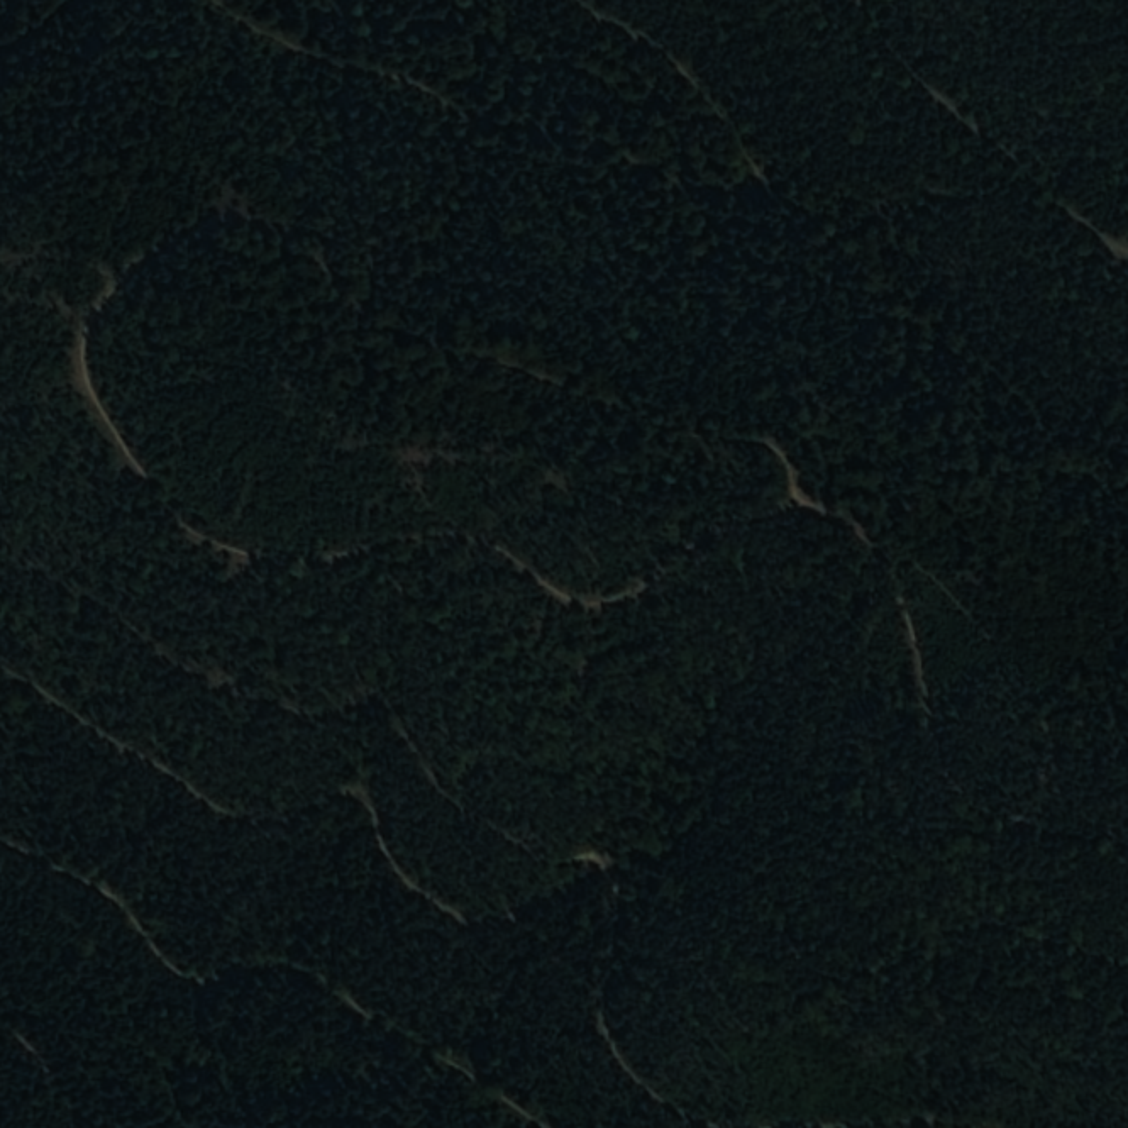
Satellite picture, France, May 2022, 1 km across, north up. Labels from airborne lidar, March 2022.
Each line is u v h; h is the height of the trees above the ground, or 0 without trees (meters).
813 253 37
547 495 10
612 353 38
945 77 13
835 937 23
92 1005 36
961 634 11
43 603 27
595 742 28
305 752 28
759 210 35
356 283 33
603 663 26
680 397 19
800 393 17
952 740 25
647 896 31
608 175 20
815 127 25
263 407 11
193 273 30
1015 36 24
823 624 28
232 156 7
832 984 17
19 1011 12
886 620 29
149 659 17
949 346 20
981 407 8
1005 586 13
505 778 29
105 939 17
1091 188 19
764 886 26
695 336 15
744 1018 27
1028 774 8
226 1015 18
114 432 0
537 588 27
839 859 28
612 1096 30
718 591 35
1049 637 9
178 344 24
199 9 17
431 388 30
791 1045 8
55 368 9
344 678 25
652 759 33
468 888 29
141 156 21
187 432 11
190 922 33
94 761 28
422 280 12
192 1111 37
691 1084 27
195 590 18
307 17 19
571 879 11
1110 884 23
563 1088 12
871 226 19
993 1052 32
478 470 9
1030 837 25
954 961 12
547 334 13
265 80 11
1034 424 18
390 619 27
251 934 29
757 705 26
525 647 11
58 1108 18
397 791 24
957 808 28
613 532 28
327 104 10
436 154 33
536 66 42
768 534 30
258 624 25
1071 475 26
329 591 24
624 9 31
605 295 34
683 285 35
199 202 10
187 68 11
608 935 29
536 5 32
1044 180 19
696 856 26
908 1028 31
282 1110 28
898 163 19
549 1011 31
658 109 19
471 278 14
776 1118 6
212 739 25
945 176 24
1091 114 21
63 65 22
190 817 30
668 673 35
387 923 16
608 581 9
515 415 10
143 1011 25
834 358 21
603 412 14
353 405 16
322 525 10
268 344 15
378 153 12
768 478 30
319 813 30
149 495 25
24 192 33
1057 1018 27
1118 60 17
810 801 17
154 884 12
